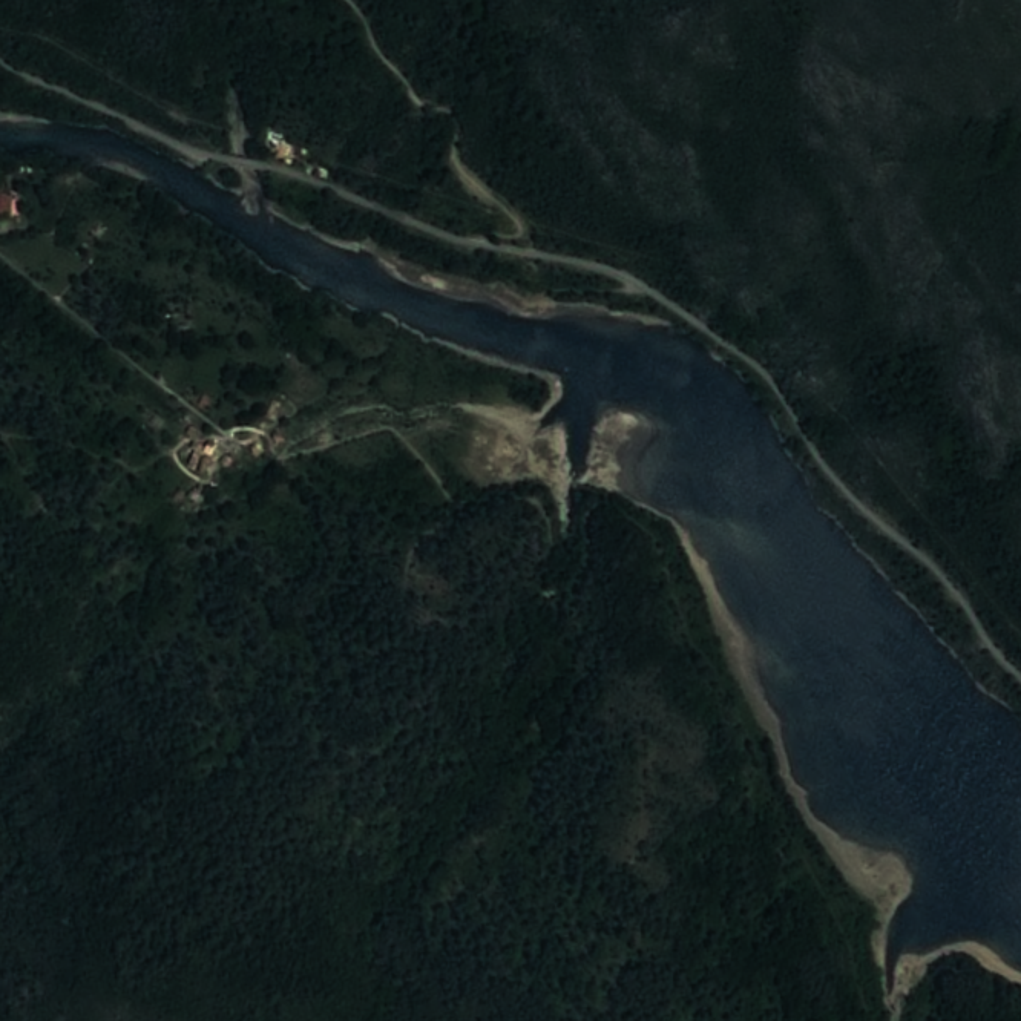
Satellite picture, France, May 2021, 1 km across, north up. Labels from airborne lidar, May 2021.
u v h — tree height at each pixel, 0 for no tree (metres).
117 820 23
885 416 16
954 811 0
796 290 8
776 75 9
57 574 14
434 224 10
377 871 11
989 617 9
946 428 12
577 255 7
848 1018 18
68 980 8
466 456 0
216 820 24
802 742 0
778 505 0
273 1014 6
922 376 11
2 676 12
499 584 23
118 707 6
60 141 0
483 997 21
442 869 20
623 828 0
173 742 17
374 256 0
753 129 6
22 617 14
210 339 9
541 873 12
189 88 13
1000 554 16
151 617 25
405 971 6
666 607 18
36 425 26
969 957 15
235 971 9
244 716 25
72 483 22
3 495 14
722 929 7
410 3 11
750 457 0
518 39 18
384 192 14
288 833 24
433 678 20
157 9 23
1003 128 13
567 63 5
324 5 12
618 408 0
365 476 6
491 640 14
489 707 23
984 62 0
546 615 22
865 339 5
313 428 0
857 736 0
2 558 14
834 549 0
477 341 0
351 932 7
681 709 6
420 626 23
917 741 0
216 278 8
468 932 18
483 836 21
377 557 13
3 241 11
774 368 10
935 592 7
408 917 11
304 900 12
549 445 0
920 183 0
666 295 10
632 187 8
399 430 0
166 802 21
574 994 16
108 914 14
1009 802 0
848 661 0
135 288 12
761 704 0
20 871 13
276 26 17
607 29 14
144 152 0
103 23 15
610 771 19
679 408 0
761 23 7
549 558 9
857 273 8
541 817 14
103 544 22
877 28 0
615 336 0
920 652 0
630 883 9
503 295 0
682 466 0
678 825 7
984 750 0
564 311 0
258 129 14
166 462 8
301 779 23
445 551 28
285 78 12
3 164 10
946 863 0
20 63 13
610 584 12
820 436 13
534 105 6
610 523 14
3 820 10
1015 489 7
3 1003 7
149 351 14
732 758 24
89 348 8
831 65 0
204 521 11
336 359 9
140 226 13
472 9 15
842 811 0
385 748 11
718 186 6
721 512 0
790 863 8
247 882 10
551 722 14
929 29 0
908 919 0
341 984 9
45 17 18
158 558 13
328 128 6
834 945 7
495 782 18
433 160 20
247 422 13
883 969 6
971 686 0
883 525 0
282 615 25
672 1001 23
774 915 23
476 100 14
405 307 0
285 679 21
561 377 0
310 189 0
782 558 0
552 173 6
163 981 15
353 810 20
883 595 0
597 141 6
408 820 8
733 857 22
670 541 9
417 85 8
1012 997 29
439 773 24
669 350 0
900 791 0
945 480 10
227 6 18
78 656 13
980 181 7
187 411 7
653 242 14
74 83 11
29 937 8
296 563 7
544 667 16
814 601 0
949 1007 15
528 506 10
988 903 0
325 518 21
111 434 13
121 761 17
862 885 0
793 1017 22
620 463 0
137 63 11
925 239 0
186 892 19
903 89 0
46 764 8
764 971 20
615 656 20
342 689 21
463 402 0
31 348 11
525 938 12
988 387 0
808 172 6
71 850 11
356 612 16
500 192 14
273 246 0
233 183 17
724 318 15
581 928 13
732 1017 19
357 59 11
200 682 22
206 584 10
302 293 7
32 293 9
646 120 5
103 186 6
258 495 18
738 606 0
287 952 12
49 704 13
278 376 7
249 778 23
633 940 11
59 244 6
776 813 7
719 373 0
